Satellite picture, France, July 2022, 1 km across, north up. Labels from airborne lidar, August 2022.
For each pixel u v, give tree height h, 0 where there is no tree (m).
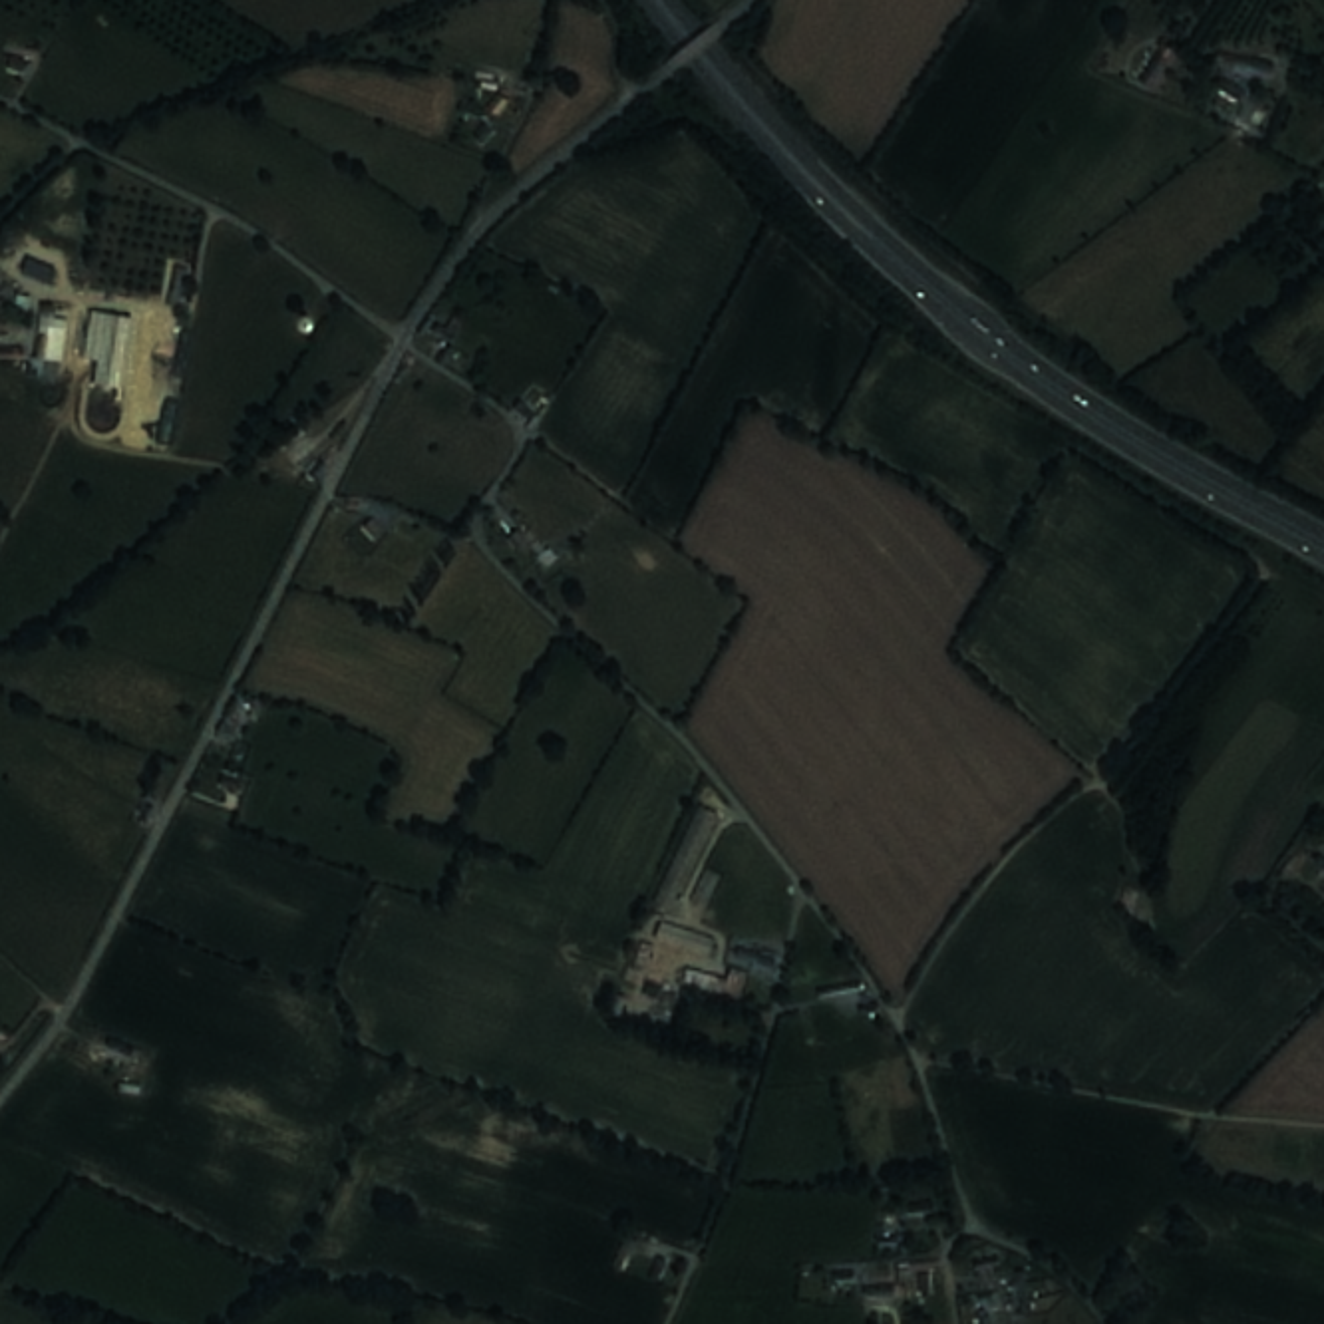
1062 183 0
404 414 0
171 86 0
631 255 0
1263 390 18
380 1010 0
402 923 0
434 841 17
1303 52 8
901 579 0
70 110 0
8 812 0
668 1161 9
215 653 0
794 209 7
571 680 0
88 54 0
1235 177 0
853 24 0
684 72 7
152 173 0
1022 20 0
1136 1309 21
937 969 0
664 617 0
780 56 0
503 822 0
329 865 7
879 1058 0
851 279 10
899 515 0
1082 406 0
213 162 0
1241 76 0
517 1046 0
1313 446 0
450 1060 0
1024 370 0
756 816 0
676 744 0
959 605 0
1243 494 0
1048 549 0
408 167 0
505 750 15
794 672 0
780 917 0
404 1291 18
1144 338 0
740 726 0
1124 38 13
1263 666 0
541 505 0
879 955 0
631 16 5
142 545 8
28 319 10
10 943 0
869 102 0
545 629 0
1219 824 0
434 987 0
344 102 0
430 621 0
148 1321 0
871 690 0
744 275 9
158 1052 0
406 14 13
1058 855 0
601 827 0
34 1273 0
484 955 0
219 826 0
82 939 0
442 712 0
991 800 0
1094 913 0
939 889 0
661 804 0
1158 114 0
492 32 0
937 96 0
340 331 0
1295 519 0
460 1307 18
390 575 0
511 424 0
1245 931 0
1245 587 7
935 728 0
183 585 0
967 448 0
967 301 0
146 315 0
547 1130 17
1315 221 16
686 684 0
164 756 7
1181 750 16
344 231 0
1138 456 0
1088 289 0
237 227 0
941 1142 8
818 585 0
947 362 7
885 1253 7
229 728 0
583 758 0
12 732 0
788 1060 0
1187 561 0
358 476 0
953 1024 0
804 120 11
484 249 6
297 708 6
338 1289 11
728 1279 0
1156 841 13
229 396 0
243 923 0
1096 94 0
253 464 11
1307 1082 0
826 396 0
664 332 0
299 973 0
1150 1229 0
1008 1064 0
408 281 0
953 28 8
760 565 0
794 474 0
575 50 0
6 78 0
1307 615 0
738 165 7
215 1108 0
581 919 0
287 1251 0
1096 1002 0
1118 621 0
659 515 0
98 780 0
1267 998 0
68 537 0
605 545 0
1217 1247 0
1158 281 0
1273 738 0
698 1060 20
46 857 0
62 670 0
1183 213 0
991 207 0
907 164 0
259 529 0
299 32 0
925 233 8
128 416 0
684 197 0
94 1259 0
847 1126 7
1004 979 0
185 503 14
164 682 0
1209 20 6
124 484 0
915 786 0
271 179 10
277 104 0
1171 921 0
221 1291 0
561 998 0
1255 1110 0
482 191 8
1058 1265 13
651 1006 0
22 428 0
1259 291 0
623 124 8
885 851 0
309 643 0
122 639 0
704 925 0
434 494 0
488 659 0
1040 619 0
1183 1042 0
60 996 0
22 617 0
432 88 0
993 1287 0
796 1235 0
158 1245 0
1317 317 0
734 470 0
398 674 0
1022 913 0
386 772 13
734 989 0
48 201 0
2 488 0
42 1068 0
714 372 0
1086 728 0
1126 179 0
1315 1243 0
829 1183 12
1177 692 10
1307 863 0
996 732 0
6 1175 0
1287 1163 0
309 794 0
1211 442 13
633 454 0
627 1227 18
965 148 0
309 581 0
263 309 0
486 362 6
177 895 0
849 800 0
